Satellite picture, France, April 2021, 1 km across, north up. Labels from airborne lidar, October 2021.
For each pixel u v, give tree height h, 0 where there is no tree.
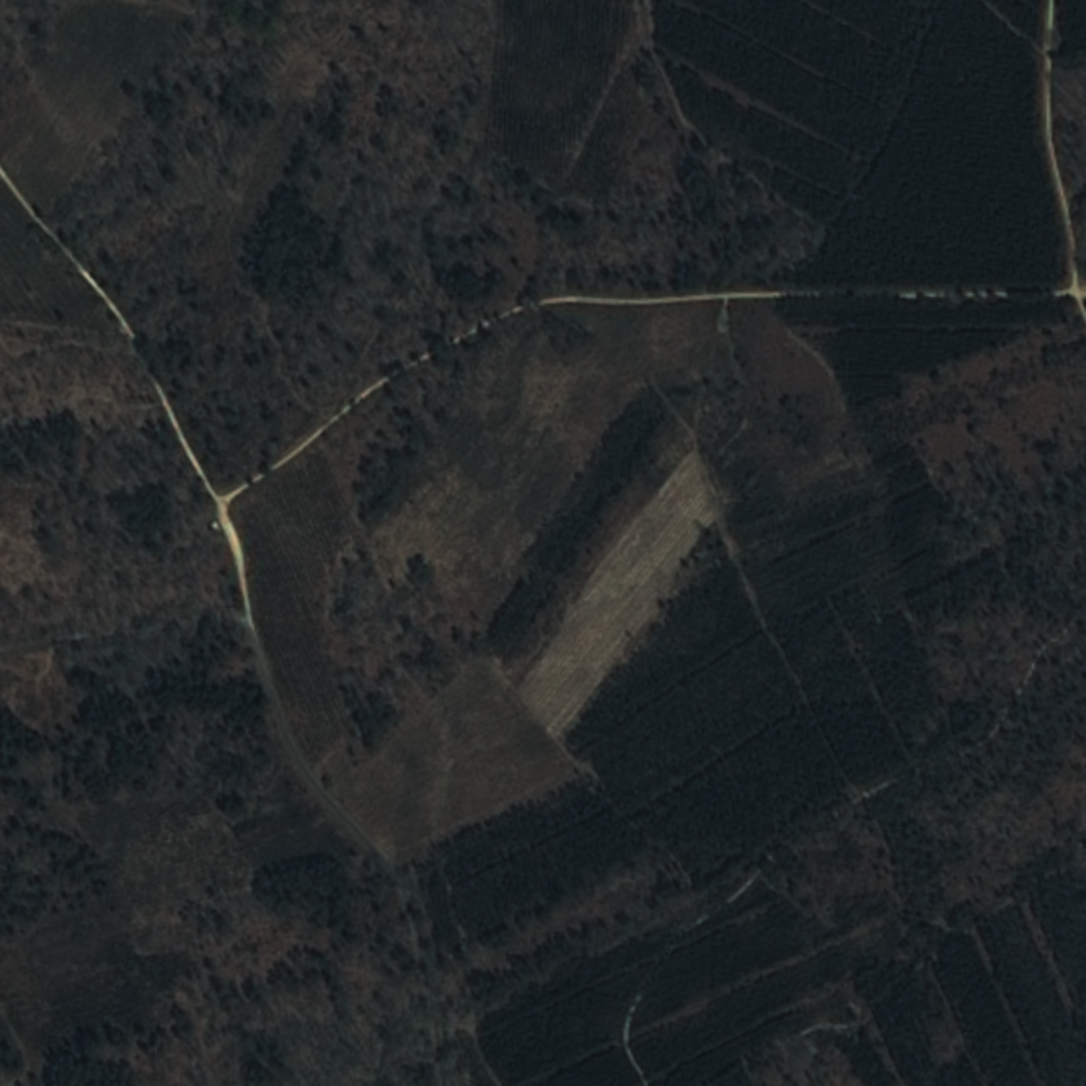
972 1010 15
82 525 9
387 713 20
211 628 18
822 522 8
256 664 16
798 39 13
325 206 9
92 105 0
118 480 22
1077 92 17
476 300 21
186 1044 20
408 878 15
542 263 7
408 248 12
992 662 6
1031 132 13
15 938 19
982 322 11
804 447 11
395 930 8
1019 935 9
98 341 15
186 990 8
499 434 0
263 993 19
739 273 21
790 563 8
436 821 0
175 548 15
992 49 11
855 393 8
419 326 13
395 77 11
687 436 0
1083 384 8
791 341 0
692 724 18
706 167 8
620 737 18
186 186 16
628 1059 8
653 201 16
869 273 14
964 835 7
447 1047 7
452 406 11
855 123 9
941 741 13
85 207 7
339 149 16
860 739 17
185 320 13
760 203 12
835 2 10
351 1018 18
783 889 11
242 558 0
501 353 15
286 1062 21
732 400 6
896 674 16
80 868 16
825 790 15
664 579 0
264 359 8
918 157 13
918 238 14
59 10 9
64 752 8
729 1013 10
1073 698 19
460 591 0
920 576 7
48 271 0
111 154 14
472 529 0
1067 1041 14
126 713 16
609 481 12
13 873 19
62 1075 26
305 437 0
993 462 13
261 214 9
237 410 16
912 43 11
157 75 16
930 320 10
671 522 0
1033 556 14
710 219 23
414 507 0
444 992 14
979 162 13
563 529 12
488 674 0
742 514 7
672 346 0
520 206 13
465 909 17
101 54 0
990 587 12
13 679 0
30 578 0
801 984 8
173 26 0
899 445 6
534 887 16
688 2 12
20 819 9
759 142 10
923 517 9
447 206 18
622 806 17
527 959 0
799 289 12
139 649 10
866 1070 13
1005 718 6
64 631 9
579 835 17
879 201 13
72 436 26
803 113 9
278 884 24
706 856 8
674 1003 9
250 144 11
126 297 15
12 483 27
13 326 11
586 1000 11
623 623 0
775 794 15
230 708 18
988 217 13
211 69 14
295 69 0
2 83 8
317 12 14
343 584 7
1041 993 13
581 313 0
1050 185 11
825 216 13
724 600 13
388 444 21
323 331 10
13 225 0
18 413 19
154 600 11
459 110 13
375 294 13
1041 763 25
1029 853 7
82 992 5
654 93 22
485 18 12
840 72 12
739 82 13
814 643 13
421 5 20
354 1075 17
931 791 10
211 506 11
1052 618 14
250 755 12
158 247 8
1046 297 16
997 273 13
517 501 0
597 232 6
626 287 16
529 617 16
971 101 11
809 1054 17
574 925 0
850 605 14
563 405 0
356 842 0
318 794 0
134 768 23
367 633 10
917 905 9
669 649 11
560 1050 9
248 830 6
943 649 12
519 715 0
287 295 22
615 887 17
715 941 8
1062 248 12
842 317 9
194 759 12
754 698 14
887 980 11
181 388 13
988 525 16
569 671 0
